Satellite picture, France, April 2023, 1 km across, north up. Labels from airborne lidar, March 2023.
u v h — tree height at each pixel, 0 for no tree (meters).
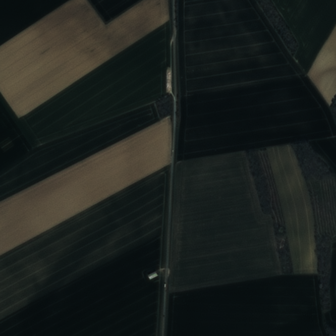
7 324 0
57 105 0
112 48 0
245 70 0
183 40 0
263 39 0
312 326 0
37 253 0
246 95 0
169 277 0
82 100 0
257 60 0
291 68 0
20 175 0
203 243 0
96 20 0
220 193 0
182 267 0
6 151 0
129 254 0
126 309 0
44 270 0
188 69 0
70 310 0
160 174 0
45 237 0
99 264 0
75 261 0
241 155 0
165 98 13
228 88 0
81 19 0
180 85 0
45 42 0
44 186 0
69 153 0
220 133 0
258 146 0
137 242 0
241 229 0
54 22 0
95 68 0
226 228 0
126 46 0
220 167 0
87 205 0
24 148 0
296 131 0
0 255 0
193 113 0
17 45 0
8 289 0
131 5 0
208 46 0
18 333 0
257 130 0
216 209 0
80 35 0
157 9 0
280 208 0
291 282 0
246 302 0
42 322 0
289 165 0
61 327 0
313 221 0
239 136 0
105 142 0
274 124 0
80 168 0
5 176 0
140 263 0
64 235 0
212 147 0
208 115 0
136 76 0
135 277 0
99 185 0
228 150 0
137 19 0
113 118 0
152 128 0
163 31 0
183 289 0
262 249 0
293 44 11
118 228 0
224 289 0
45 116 0
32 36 0
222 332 0
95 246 0
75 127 0
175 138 0
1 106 0
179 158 0
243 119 0
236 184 0
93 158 0
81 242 0
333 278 0
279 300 0
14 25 0
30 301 0
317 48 0
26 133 0
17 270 0
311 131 0
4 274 0
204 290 0
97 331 0
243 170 0
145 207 0
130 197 0
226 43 0
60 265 0
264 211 11
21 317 0
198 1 0
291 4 0
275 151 0
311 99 0
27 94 0
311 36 0
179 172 0
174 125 0
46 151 0
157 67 0
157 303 0
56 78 0
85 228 0
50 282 0
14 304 0
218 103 0
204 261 0
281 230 13
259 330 0
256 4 0
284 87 0
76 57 0
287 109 0
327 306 6
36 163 0
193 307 0
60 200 0
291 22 0
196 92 0
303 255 0
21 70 0
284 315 0
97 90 0
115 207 0
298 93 0
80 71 0
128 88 0
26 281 0
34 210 0
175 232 0
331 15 0
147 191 0
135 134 0
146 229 0
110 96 0
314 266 0
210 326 0
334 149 0
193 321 0
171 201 0
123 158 0
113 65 0
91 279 0
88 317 0
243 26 0
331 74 0
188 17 0
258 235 0
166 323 0
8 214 0
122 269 0
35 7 0
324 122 0
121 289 0
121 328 0
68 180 0
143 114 0
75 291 0
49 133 0
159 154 0
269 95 0
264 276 0
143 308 0
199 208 0
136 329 0
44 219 0
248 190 0
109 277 0
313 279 0
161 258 0
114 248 0
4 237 0
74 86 0
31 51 0
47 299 0
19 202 0
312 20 0
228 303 0
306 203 0
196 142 0
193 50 0
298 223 0
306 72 0
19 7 0
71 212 0
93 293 0
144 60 0
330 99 0
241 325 0
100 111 0
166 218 0
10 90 0
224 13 0
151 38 0
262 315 0
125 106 0
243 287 0
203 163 0
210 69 0
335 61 0
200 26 0
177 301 0
